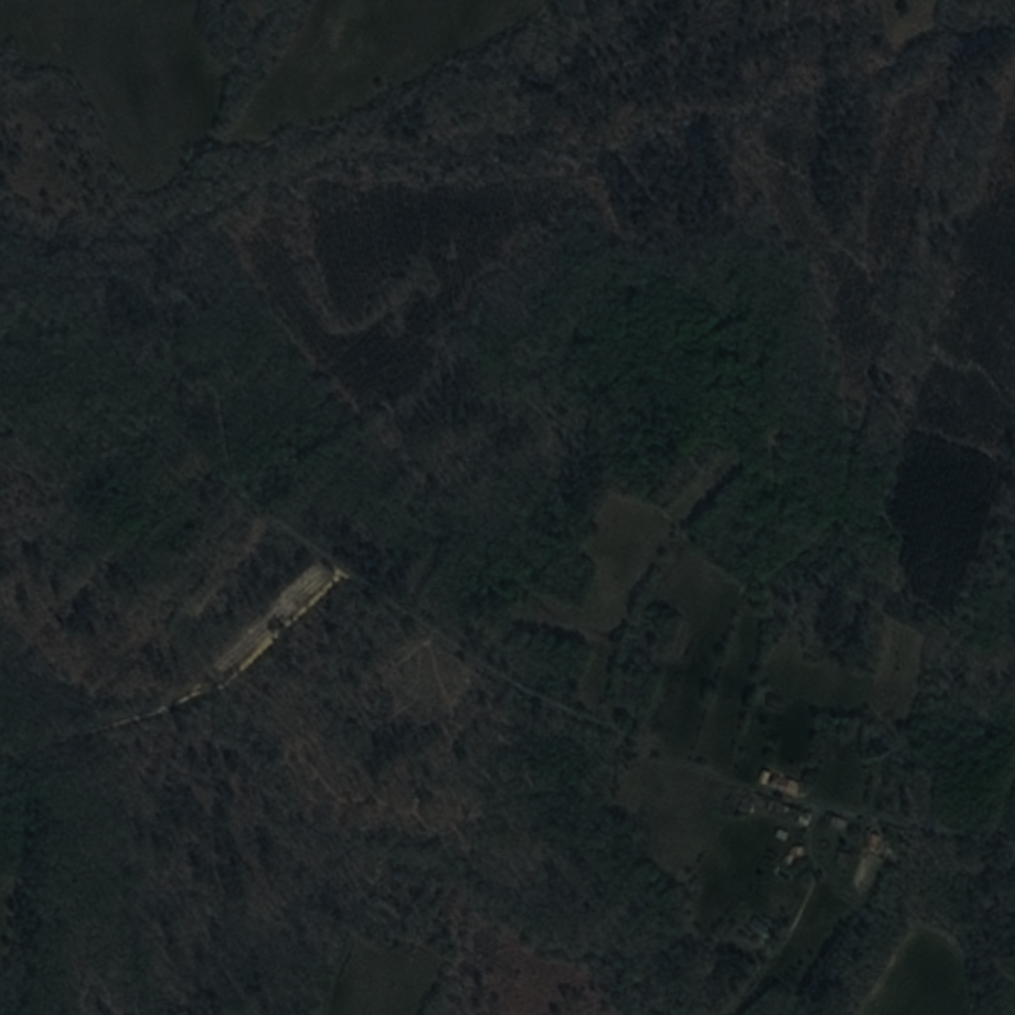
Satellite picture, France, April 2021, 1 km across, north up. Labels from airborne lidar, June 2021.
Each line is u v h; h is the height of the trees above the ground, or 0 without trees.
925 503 12
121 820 19
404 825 14
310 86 0
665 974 24
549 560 22
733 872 0
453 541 20
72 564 14
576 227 14
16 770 20
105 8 0
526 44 14
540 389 16
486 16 0
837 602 16
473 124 18
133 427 21
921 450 10
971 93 7
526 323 14
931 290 15
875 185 9
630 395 18
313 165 17
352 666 8
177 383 19
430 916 14
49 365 18
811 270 13
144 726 12
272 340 23
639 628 7
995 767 19
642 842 12
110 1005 13
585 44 16
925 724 17
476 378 14
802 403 22
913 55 16
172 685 19
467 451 11
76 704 16
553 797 16
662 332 21
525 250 7
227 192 20
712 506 12
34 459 13
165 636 8
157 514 15
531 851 15
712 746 0
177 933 17
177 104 0
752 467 19
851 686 0
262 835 15
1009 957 29
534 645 15
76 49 0
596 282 20
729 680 0
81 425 15
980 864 8
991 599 17
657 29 16
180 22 0
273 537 11
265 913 14
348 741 16
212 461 12
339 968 11
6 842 21
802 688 0
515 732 10
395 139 20
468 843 16
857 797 0
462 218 6
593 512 29
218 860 12
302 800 15
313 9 11
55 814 28
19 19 0
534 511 17
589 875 16
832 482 20
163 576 14
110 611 13
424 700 0
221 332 20
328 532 11
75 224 12
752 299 21
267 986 15
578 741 13
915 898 18
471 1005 10
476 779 13
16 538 9
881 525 13
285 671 13
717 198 12
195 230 21
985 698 17
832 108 23
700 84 11
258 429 16
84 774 21
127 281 16
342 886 12
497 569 23
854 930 12
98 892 23
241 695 15
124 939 19
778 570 16
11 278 17
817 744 7
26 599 20
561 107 11
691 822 0
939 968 0
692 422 18
